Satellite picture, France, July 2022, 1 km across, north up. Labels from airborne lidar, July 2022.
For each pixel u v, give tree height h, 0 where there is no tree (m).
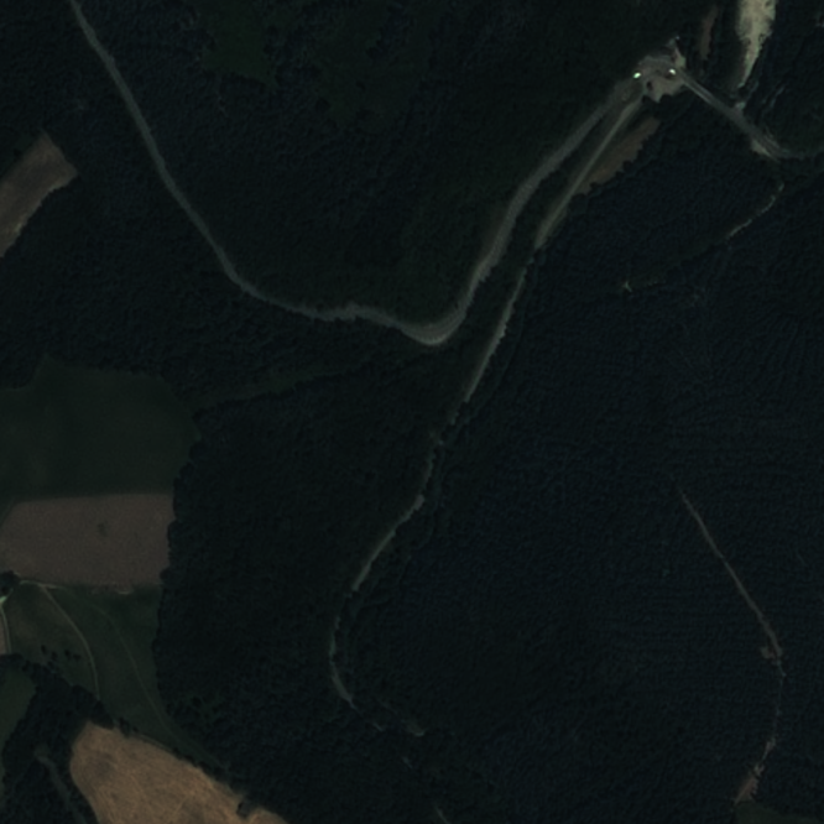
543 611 14
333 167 20
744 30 0
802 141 10
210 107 20
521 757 24
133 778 0
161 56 21
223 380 22
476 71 13
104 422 0
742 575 21
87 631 0
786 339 24
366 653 18
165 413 0
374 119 6
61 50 18
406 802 30
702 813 20
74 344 24
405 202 12
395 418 10
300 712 24
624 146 0
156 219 15
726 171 24
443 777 10
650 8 18
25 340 20
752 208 14
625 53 18
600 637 18
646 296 8
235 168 17
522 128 16
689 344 16
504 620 10
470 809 29
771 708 25
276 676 19
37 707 15
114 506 0
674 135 19
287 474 24
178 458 0
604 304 15
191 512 21
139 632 0
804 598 15
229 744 9
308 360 25
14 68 18
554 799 15
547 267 18
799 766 20
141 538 0
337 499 14
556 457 20
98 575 0
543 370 17
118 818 0
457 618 15
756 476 22
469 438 17
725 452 17
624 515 17
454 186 18
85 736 0
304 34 21
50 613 0
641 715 15
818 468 19
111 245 20
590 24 21
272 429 21
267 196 18
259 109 20
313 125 21
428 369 15
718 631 19
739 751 20
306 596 13
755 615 17
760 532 25
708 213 18
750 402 22
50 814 22
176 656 19
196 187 16
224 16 0
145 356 17
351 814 26
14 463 0
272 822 0
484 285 15
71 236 24
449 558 20
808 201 31
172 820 0
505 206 8
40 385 0
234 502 22
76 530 0
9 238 0
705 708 23
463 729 16
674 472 16
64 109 11
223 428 19
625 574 20
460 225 21
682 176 22
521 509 20
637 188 20
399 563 14
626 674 13
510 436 20
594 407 16
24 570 0
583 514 20
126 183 25
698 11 23
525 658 15
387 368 17
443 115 16
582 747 15
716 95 7
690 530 21
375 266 18
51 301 19
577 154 13
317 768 25
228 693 16
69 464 0
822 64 15
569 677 17
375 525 16
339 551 16
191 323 12
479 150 20
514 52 14
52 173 0
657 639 16
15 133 10
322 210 19
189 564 17
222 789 0
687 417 17
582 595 18
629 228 23
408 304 18
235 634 17
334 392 19
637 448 17
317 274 18
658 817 15
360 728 25
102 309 22
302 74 24
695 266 19
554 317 18
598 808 27
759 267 26
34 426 0
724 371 18
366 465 12
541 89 20
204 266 19
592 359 18
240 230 20
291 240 19
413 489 20
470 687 14
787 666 24
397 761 21
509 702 13
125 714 0
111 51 16
